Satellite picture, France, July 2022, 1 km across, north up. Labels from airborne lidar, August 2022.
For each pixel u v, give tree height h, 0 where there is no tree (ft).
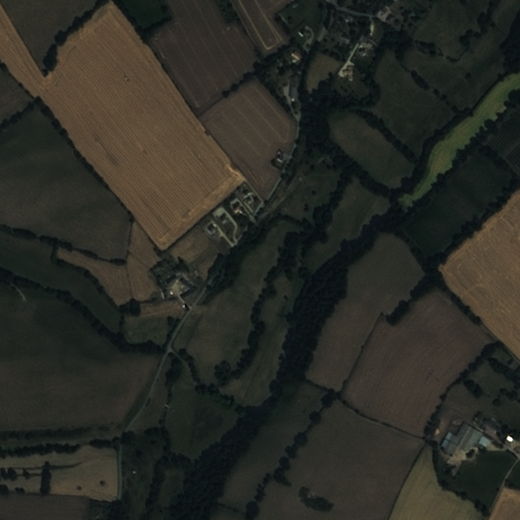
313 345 42
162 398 0
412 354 0
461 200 0
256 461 0
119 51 0
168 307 0
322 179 0
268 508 0
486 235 0
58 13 0
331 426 0
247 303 0
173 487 0
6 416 0
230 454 59
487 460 0
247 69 0
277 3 0
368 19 25
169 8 29
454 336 0
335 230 0
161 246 0
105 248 0
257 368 0
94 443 40
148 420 0
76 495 0
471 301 0
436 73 0
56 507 0
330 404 34
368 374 0
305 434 20
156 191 0
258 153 0
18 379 0
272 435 0
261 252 0
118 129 0
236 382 0
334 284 53
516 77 0
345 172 56
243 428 71
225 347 0
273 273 42
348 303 0
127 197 0
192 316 0
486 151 48
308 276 41
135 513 0
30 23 0
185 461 81
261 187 0
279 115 0
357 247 75
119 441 37
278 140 0
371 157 0
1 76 0
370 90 45
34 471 0
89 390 0
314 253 0
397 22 30
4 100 0
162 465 42
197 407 0
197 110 0
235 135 0
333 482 0
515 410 0
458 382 30
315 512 0
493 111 0
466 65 0
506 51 39
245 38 0
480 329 0
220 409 0
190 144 0
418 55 0
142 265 0
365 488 0
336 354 0
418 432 0
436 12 0
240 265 31
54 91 0
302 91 72
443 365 0
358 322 0
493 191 0
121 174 0
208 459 70
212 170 0
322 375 0
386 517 0
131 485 0
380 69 0
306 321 65
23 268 0
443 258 57
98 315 0
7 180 0
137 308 58
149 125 0
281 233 0
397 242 0
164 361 0
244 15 0
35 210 0
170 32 0
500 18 0
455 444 0
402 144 43
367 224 0
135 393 0
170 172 0
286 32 44
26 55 0
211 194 0
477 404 0
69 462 0
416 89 0
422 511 0
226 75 0
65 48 0
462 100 0
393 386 0
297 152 43
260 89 0
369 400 0
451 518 0
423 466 0
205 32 0
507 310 0
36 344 0
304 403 0
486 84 0
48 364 0
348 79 0
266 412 85
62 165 0
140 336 0
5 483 0
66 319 0
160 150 0
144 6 0
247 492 0
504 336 0
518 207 0
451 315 0
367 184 38
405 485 0
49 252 0
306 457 0
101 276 0
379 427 0
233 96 0
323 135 91
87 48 0
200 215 0
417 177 52
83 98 0
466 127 0
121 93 0
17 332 0
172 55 0
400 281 0
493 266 0
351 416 0
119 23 0
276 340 0
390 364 0
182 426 0
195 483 70
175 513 50
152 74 0
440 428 0
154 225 0
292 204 0
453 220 0
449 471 30
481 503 55
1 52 0
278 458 0
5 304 0
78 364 0
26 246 0
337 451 0
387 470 0
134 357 0
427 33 0
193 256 0
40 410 0
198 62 0
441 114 0
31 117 0
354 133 0
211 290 23
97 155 0
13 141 0
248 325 0
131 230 0
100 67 0
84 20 38
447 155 0
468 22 0
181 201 0
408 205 0
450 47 0
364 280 0
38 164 0
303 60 34
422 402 0
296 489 0
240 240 22
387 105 0
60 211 0
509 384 0
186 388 0
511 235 0
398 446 0
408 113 0
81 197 0
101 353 0
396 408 0
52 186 0
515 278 0
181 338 0
